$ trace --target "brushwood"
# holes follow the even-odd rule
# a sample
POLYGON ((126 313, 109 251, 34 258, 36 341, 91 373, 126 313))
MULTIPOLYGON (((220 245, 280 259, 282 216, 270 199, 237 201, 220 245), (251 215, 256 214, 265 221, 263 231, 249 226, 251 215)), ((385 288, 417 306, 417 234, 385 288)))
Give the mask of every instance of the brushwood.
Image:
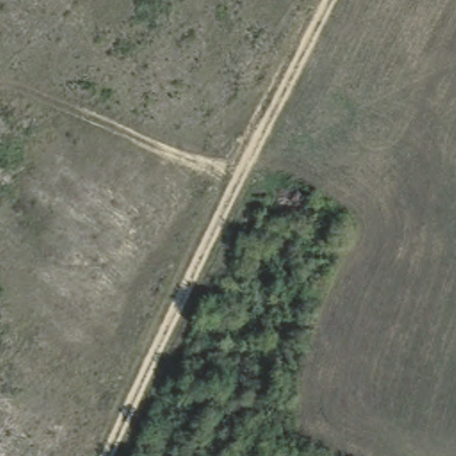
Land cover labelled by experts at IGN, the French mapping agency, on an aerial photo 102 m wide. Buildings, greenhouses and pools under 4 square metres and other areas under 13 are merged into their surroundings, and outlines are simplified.
POLYGON ((208 354, 208 358, 212 360, 210 363, 203 363, 203 360, 185 360, 182 379, 167 379, 166 385, 162 388, 155 387, 151 381, 144 395, 153 403, 148 413, 148 426, 166 420, 167 427, 171 429, 164 445, 164 456, 354 456, 351 452, 338 451, 333 445, 324 444, 321 438, 306 435, 297 429, 301 392, 310 369, 310 347, 315 333, 319 331, 319 317, 324 308, 324 301, 337 280, 342 265, 346 262, 347 253, 312 253, 313 246, 319 246, 322 240, 328 240, 333 224, 344 221, 346 210, 337 199, 322 196, 321 192, 315 191, 315 187, 305 180, 294 180, 292 176, 281 171, 274 173, 273 178, 267 180, 264 203, 262 210, 258 210, 256 214, 253 232, 251 235, 240 233, 235 246, 235 262, 224 264, 223 269, 219 271, 223 274, 221 287, 224 289, 244 292, 244 299, 239 305, 223 306, 223 310, 219 312, 221 324, 216 331, 196 330, 194 322, 199 319, 198 313, 187 319, 180 315, 176 328, 182 333, 182 344, 185 344, 187 353, 199 353, 205 347, 221 349, 217 353, 208 354), (217 411, 223 419, 214 427, 212 444, 192 449, 187 445, 191 442, 192 436, 196 435, 192 422, 201 419, 207 410, 217 411))

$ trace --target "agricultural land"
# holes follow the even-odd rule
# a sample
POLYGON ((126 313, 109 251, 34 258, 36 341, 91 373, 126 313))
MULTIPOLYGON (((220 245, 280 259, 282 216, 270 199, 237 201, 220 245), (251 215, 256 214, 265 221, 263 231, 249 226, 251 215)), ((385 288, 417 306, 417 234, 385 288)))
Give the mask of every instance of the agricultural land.
POLYGON ((276 119, 273 132, 265 141, 256 162, 258 166, 274 173, 281 171, 292 176, 294 180, 305 180, 315 187, 315 191, 321 192, 322 196, 337 199, 346 210, 349 214, 354 214, 360 228, 356 246, 347 253, 346 262, 342 265, 337 280, 324 301, 324 308, 319 317, 319 331, 315 333, 310 347, 310 369, 301 392, 297 429, 306 435, 321 438, 324 444, 333 445, 338 451, 351 452, 354 456, 456 456, 456 0, 337 0, 330 18, 322 28, 321 36, 317 39, 317 45, 297 78, 294 91, 276 119))

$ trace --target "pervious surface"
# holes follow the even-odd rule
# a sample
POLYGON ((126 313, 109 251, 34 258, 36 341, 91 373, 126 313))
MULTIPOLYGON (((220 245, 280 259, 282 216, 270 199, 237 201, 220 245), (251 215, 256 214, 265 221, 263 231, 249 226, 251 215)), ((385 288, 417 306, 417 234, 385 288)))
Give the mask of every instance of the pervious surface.
POLYGON ((126 395, 125 404, 119 406, 118 411, 121 415, 112 426, 109 440, 103 445, 110 451, 112 444, 119 444, 125 440, 130 420, 134 419, 135 410, 144 395, 151 381, 160 353, 166 351, 167 342, 176 328, 180 315, 178 310, 187 303, 191 294, 191 289, 187 285, 199 280, 199 274, 207 264, 208 255, 219 239, 224 223, 230 216, 244 183, 248 180, 249 171, 256 162, 265 141, 273 132, 276 119, 294 91, 297 78, 317 45, 317 39, 321 36, 322 28, 330 18, 337 0, 321 0, 321 4, 317 5, 313 12, 305 34, 301 37, 301 43, 297 46, 294 59, 290 61, 289 69, 285 71, 283 80, 278 85, 278 91, 274 93, 273 102, 265 110, 265 116, 251 135, 251 141, 240 159, 239 166, 233 171, 232 180, 226 185, 226 191, 210 219, 207 232, 192 256, 189 269, 185 271, 182 287, 173 290, 175 303, 169 306, 166 317, 157 331, 157 337, 142 360, 141 369, 126 395))
POLYGON ((77 105, 77 110, 85 116, 102 119, 105 123, 123 130, 121 137, 125 137, 142 150, 166 157, 182 166, 191 167, 208 178, 221 180, 224 173, 223 160, 208 159, 203 155, 176 150, 166 142, 137 132, 132 126, 123 125, 96 110, 77 105))

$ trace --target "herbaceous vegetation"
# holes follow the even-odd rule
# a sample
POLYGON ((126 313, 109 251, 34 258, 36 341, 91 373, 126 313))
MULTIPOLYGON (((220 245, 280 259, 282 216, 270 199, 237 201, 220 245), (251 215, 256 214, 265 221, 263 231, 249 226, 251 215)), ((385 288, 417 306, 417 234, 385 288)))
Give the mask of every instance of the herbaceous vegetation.
POLYGON ((182 344, 182 333, 176 328, 167 342, 166 351, 160 353, 151 381, 155 387, 162 388, 166 385, 167 379, 182 379, 185 360, 203 360, 203 363, 210 363, 212 360, 208 358, 208 354, 217 353, 221 349, 205 347, 199 353, 187 353, 185 344, 182 344))
POLYGON ((290 61, 294 59, 297 46, 301 43, 301 37, 305 34, 313 12, 317 5, 321 4, 321 0, 0 0, 0 456, 137 456, 137 440, 148 426, 148 413, 153 403, 144 395, 135 410, 134 419, 130 420, 125 440, 119 444, 112 444, 110 451, 103 445, 109 440, 112 426, 121 415, 118 411, 119 406, 125 404, 126 395, 141 369, 142 360, 157 337, 157 331, 166 317, 169 306, 175 303, 173 290, 182 287, 185 271, 189 269, 192 256, 207 232, 210 219, 226 191, 226 185, 232 180, 233 171, 239 166, 240 159, 251 141, 251 135, 265 116, 265 110, 273 102, 274 93, 278 91, 278 85, 283 80, 285 71, 289 69, 290 61), (224 173, 221 180, 208 178, 191 167, 182 166, 166 157, 142 150, 125 137, 121 137, 123 130, 105 123, 102 119, 85 116, 77 110, 77 105, 96 110, 123 125, 132 126, 137 132, 166 142, 176 150, 203 155, 208 159, 223 160, 224 173))
POLYGON ((235 262, 235 246, 240 233, 251 235, 253 232, 256 214, 258 210, 262 210, 264 203, 267 180, 273 178, 274 173, 258 166, 256 162, 249 171, 248 180, 244 183, 230 216, 224 223, 219 239, 208 255, 207 264, 199 274, 199 280, 187 285, 191 289, 191 294, 187 303, 178 310, 180 315, 187 319, 198 313, 201 301, 207 301, 208 296, 223 294, 224 289, 221 287, 223 274, 219 271, 223 269, 224 264, 235 262))

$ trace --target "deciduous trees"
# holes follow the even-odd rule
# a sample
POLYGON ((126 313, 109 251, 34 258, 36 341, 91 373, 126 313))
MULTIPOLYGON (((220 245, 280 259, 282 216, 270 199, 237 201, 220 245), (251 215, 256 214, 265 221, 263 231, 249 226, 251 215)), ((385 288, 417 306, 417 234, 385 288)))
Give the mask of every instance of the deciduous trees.
POLYGON ((164 445, 171 429, 167 427, 166 420, 148 426, 137 440, 137 456, 164 456, 164 445))
POLYGON ((346 210, 344 221, 333 224, 328 240, 322 240, 319 246, 313 246, 312 253, 347 253, 356 246, 360 228, 354 214, 349 214, 346 210))
POLYGON ((208 296, 207 301, 201 301, 198 313, 199 319, 194 322, 196 330, 216 331, 221 324, 219 312, 223 310, 223 306, 239 305, 244 299, 244 292, 224 289, 223 294, 208 296))
POLYGON ((192 436, 191 442, 187 445, 192 449, 212 444, 214 427, 223 419, 217 411, 207 410, 201 419, 192 422, 196 435, 192 436))

